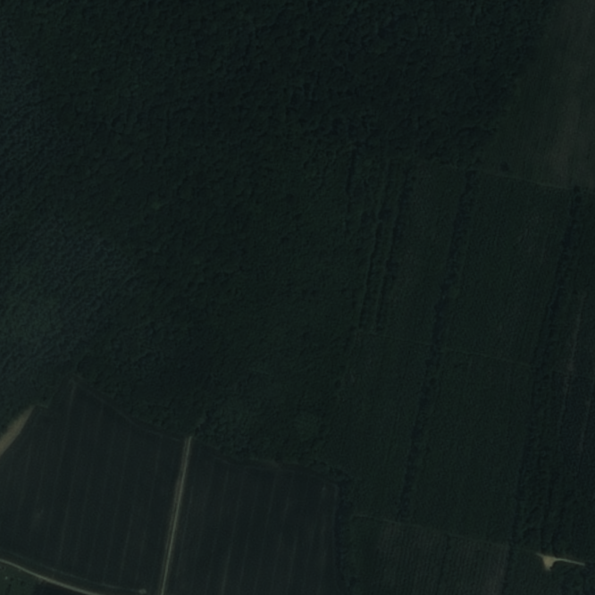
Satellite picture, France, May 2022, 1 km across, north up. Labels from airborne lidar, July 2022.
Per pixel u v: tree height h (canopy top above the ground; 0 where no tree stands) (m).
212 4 29
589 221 12
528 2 17
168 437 0
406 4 21
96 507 0
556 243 6
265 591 0
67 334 27
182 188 27
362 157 23
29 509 0
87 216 19
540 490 18
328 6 28
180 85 24
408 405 6
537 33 21
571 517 17
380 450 6
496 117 26
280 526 0
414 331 7
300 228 17
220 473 0
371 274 14
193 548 0
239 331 18
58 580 0
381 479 6
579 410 8
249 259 18
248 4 25
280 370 18
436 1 26
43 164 19
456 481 6
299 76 29
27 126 21
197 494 0
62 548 0
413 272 6
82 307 18
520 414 5
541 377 12
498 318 6
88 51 19
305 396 17
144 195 23
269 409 17
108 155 25
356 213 20
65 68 20
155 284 22
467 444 7
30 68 23
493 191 6
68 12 22
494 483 6
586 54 0
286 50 27
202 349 25
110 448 0
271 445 18
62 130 17
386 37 28
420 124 26
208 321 28
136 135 29
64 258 21
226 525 0
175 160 25
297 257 17
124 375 26
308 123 25
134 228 26
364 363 8
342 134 29
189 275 26
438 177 6
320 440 18
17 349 22
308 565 0
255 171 25
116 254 27
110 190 26
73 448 0
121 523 0
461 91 26
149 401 25
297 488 0
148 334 23
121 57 23
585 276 7
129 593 0
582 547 7
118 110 22
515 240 7
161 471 0
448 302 16
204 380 24
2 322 23
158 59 19
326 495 0
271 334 16
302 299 17
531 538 24
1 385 24
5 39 22
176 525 0
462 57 26
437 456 6
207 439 23
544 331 11
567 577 16
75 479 0
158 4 29
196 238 25
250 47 29
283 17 29
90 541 0
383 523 6
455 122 27
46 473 0
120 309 21
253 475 0
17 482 0
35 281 21
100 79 24
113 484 0
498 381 6
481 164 23
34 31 19
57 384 7
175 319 29
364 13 24
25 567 0
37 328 22
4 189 19
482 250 6
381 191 8
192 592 0
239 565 0
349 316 15
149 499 0
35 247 20
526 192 6
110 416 0
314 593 0
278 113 27
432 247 7
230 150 26
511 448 6
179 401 20
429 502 7
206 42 27
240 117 27
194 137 28
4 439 0
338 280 14
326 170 14
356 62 29
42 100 18
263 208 16
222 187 23
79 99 21
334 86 29
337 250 19
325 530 0
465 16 23
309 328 18
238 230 23
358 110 26
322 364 16
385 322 17
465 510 5
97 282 15
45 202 18
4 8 20
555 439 9
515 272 6
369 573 7
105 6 21
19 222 15
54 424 0
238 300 17
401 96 23
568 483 10
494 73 28
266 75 29
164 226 28
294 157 14
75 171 27
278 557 0
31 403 19
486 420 6
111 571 0
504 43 25
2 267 20
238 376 18
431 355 6
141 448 0
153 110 30
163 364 24
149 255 27
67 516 0
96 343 23
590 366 7
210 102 25
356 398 7
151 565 0
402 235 17
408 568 5
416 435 25
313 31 27
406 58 21
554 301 9
